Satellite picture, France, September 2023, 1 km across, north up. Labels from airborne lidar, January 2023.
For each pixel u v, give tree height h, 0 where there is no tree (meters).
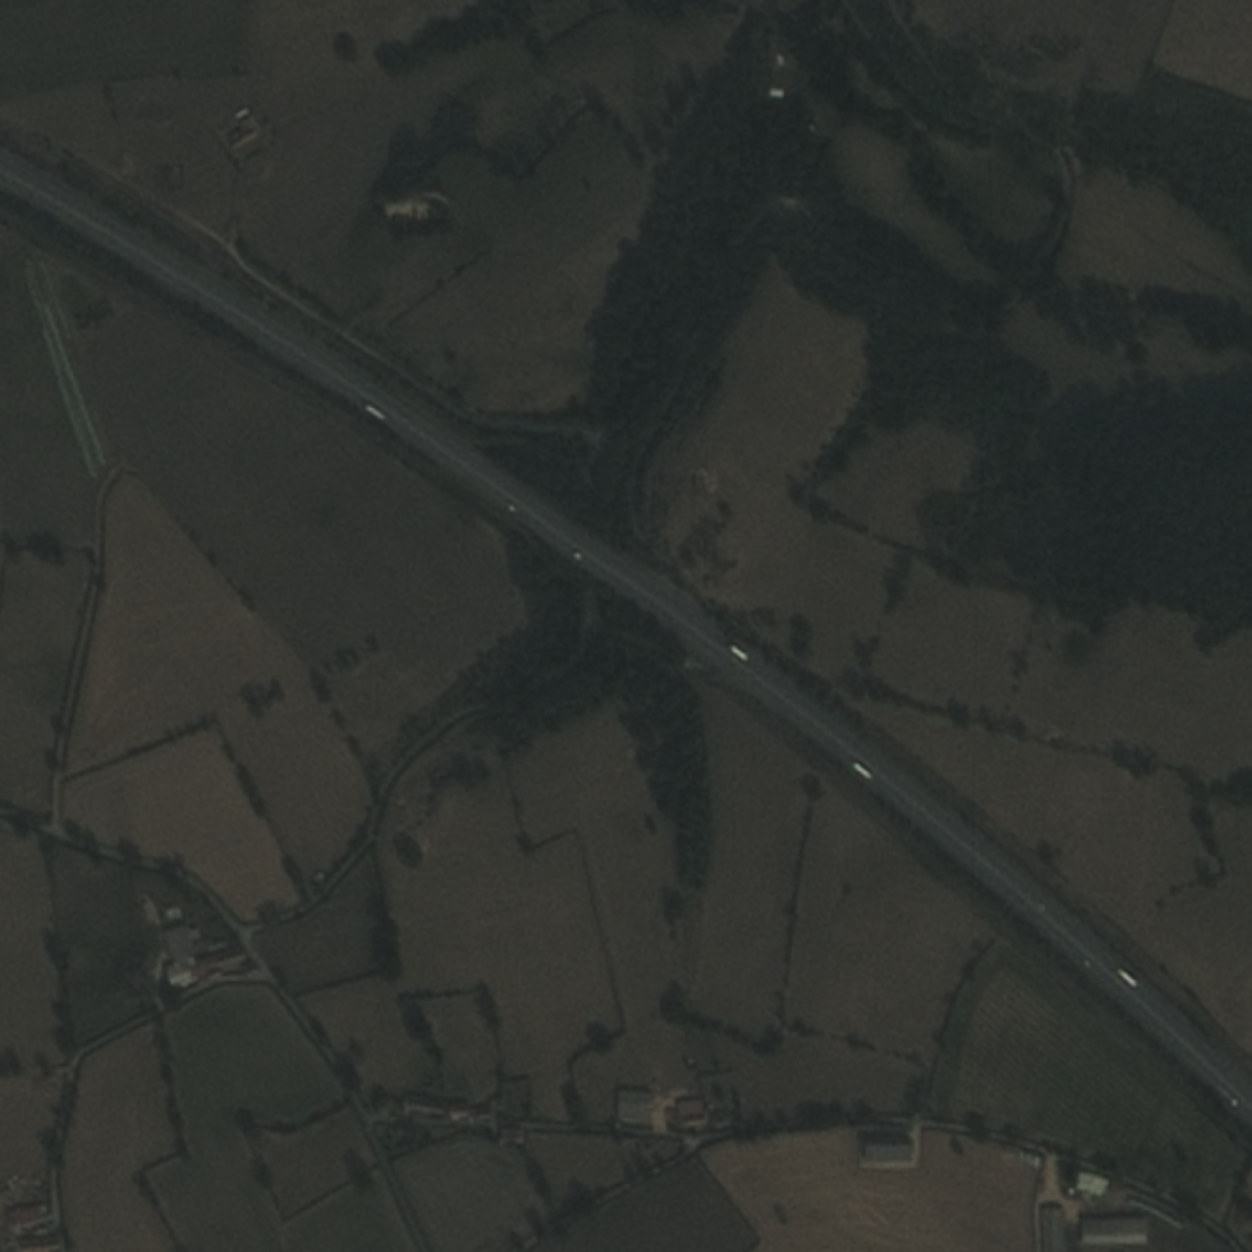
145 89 0
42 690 0
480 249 0
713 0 19
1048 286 19
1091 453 17
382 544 0
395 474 0
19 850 0
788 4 0
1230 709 0
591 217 0
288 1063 0
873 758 0
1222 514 18
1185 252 0
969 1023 0
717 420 0
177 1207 0
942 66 7
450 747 0
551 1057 0
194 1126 0
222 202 0
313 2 0
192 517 0
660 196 19
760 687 0
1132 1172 0
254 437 0
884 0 9
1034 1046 0
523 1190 0
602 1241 0
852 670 0
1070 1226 0
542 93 0
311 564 0
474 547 0
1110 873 0
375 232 0
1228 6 0
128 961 0
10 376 0
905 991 0
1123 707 0
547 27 0
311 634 0
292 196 0
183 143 0
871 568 0
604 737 0
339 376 0
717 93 18
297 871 10
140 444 0
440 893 0
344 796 0
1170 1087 0
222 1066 0
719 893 0
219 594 0
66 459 0
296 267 0
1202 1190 0
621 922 0
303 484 0
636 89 0
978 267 0
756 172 20
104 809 0
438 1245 0
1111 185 0
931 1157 0
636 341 24
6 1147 0
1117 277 0
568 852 0
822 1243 0
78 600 0
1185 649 0
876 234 13
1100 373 0
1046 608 10
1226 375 0
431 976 0
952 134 13
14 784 0
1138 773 9
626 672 13
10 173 0
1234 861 0
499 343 0
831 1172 0
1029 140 8
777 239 15
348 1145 0
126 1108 0
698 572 0
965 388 11
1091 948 0
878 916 0
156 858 0
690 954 0
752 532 0
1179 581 16
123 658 0
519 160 0
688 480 0
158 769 0
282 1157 0
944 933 0
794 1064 0
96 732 0
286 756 0
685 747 11
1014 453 14
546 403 0
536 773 0
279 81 0
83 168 0
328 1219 0
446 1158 0
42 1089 0
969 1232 0
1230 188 10
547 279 0
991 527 0
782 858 0
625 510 8
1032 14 0
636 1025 0
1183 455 19
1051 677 0
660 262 22
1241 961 0
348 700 0
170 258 0
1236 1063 0
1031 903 0
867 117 7
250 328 0
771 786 0
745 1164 0
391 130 0
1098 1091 0
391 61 19
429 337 0
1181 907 0
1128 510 21
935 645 0
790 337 0
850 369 0
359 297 0
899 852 0
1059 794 0
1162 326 0
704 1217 0
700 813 13
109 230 0
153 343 0
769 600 0
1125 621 0
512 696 27
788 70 0
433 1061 13
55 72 0
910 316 21
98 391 0
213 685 0
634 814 0
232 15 0
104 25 0
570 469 7
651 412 15
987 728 11
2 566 0
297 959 0
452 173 0
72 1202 0
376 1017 0
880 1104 0
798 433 0
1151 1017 0
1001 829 0
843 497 0
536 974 0
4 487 0
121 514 0
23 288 0
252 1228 0
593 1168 0
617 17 0
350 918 0
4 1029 0
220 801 0
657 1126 0
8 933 0
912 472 0
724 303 19
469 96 0
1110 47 7
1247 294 0
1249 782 13
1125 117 14
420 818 0
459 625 0
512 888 0
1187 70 0
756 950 0
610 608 16
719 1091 9
